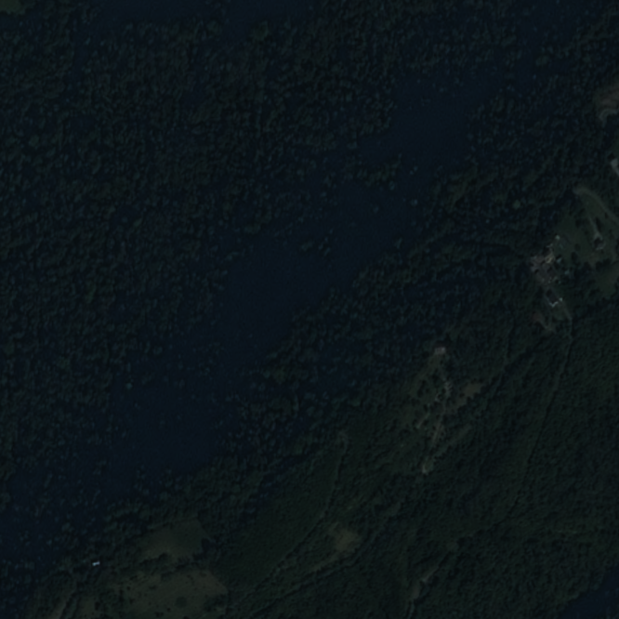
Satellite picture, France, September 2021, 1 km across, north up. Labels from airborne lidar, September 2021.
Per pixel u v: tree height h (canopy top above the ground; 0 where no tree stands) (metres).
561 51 28
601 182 14
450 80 16
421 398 15
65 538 19
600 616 28
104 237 23
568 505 28
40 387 32
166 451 10
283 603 17
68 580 17
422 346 27
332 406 28
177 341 29
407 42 23
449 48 36
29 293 33
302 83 10
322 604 20
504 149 20
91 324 12
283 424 23
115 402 30
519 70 14
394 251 21
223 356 26
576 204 23
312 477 15
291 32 29
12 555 24
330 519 16
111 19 27
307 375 25
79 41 10
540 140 17
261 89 32
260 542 19
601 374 20
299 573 18
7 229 18
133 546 17
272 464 23
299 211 32
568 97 16
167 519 19
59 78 16
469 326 23
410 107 26
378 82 20
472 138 15
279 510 13
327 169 12
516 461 22
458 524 22
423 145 17
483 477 23
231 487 23
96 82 19
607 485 23
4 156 26
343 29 10
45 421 32
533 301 6
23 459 32
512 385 21
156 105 13
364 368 25
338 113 8
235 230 23
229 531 22
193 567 11
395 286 19
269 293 33
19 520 22
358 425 19
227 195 26
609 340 25
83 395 26
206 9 29
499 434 17
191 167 35
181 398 30
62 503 27
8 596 12
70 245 26
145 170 22
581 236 0
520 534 26
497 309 11
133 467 33
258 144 11
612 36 24
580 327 20
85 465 28
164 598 0
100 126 28
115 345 31
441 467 11
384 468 16
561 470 21
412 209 29
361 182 37
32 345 24
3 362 22
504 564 27
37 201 22
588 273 23
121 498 14
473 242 14
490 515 23
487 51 34
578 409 9
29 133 35
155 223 30
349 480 20
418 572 17
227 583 12
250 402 23
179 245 33
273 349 30
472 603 21
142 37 27
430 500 9
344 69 16
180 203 19
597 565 34
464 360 22
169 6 10
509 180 7
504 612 26
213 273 35
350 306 25
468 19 34
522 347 24
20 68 30
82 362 29
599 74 9
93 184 20
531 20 20
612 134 8
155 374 35
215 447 32
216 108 33
